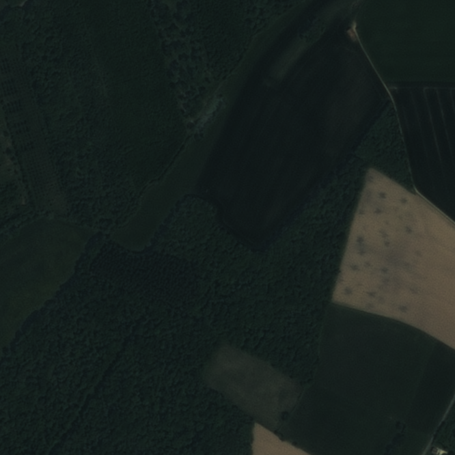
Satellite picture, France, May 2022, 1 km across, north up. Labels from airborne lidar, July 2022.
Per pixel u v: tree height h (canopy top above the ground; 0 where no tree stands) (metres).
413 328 0
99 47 8
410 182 17
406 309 0
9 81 8
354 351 0
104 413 30
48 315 26
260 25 17
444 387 0
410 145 0
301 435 0
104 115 18
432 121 0
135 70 8
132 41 12
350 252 0
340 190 18
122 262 28
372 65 0
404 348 0
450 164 0
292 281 30
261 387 0
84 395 18
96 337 25
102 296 30
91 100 17
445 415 0
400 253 0
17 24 28
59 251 0
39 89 27
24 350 22
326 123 0
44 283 0
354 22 0
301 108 0
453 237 0
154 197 0
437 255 0
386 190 0
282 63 0
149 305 23
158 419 18
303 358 30
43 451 18
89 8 9
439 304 0
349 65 0
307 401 0
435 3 0
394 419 0
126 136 7
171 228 18
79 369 29
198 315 18
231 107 0
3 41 24
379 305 0
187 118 24
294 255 29
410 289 0
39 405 34
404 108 0
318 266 25
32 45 28
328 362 0
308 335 27
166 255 9
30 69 12
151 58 10
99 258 31
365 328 0
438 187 0
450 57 0
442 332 0
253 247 0
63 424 24
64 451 29
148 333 21
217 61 15
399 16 0
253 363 0
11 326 0
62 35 18
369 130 13
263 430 0
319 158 0
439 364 0
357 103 0
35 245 0
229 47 14
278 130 0
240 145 0
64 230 0
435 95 0
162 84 10
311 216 23
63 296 24
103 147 20
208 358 24
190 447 12
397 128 11
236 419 19
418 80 0
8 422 20
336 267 22
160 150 10
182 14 24
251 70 0
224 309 22
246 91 0
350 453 0
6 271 0
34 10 27
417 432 0
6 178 0
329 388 0
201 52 21
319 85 0
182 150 13
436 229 0
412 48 0
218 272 23
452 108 0
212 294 20
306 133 0
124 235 0
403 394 0
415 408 0
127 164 11
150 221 0
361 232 0
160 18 24
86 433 19
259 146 0
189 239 27
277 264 28
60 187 9
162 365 27
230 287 17
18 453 23
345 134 0
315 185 0
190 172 0
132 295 28
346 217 24
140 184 8
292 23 0
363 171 17
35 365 18
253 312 26
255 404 0
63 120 25
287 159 0
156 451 15
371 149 20
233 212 0
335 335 0
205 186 0
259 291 30
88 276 21
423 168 0
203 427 21
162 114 9
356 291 0
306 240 27
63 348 27
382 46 0
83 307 29
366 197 0
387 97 0
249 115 0
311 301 27
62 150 23
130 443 28
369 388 0
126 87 6
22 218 9
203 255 18
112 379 26
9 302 0
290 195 0
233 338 28
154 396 17
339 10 0
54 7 17
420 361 0
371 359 0
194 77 30
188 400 30
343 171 20
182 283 30
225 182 0
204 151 0
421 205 0
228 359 0
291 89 0
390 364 0
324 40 0
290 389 0
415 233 0
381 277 0
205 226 25
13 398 25
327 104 0
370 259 0
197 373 24
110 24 10
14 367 16
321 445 0
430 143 0
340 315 0
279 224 0
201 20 11
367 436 0
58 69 23
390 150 16
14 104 11
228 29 17
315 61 0
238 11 15
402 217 0
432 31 0
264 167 0
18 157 12
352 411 0
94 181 30
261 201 0
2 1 0
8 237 14
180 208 22
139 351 27
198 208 22
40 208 12
